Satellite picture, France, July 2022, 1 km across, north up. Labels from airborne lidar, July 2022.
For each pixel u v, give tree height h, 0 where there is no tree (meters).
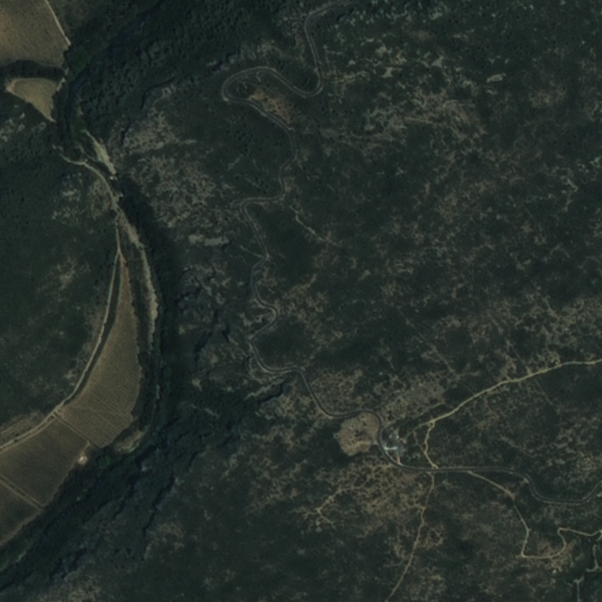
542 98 0
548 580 0
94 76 25
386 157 0
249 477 0
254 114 7
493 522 0
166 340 17
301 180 0
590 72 0
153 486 6
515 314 0
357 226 0
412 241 0
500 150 0
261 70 0
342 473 0
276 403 0
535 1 0
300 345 0
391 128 0
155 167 0
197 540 0
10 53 0
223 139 0
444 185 0
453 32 0
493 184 0
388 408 0
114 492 6
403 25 0
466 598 0
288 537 0
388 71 0
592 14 0
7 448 0
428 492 0
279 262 0
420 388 0
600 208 0
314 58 0
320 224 0
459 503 0
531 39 0
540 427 0
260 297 0
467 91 0
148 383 7
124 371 0
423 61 0
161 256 6
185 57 13
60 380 0
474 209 0
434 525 0
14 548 18
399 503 0
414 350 0
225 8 10
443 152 0
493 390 0
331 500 0
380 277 0
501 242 0
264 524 0
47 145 8
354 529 0
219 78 0
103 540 6
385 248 0
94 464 6
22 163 8
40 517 6
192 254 0
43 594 0
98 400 0
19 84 0
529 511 0
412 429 0
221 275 0
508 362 0
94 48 15
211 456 0
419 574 0
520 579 0
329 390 0
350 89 0
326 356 0
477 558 0
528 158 0
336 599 0
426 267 0
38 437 0
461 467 0
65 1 0
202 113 0
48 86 0
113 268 16
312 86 7
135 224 15
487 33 0
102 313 0
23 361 0
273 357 0
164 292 14
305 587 0
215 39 9
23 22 0
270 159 0
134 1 10
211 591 0
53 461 0
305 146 0
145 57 14
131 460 11
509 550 0
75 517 17
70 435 0
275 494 0
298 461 0
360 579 0
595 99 0
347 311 0
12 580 9
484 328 0
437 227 0
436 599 0
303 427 0
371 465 0
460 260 0
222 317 0
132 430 5
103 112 7
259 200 0
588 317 0
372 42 0
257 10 11
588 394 0
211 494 0
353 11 9
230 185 0
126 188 18
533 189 0
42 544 17
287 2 13
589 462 0
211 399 7
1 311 0
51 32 0
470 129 0
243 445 0
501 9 0
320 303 0
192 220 0
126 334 0
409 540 0
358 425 0
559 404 0
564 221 0
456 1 0
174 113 0
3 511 0
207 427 7
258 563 0
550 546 0
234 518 0
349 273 0
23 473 0
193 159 0
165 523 0
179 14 8
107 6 7
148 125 0
